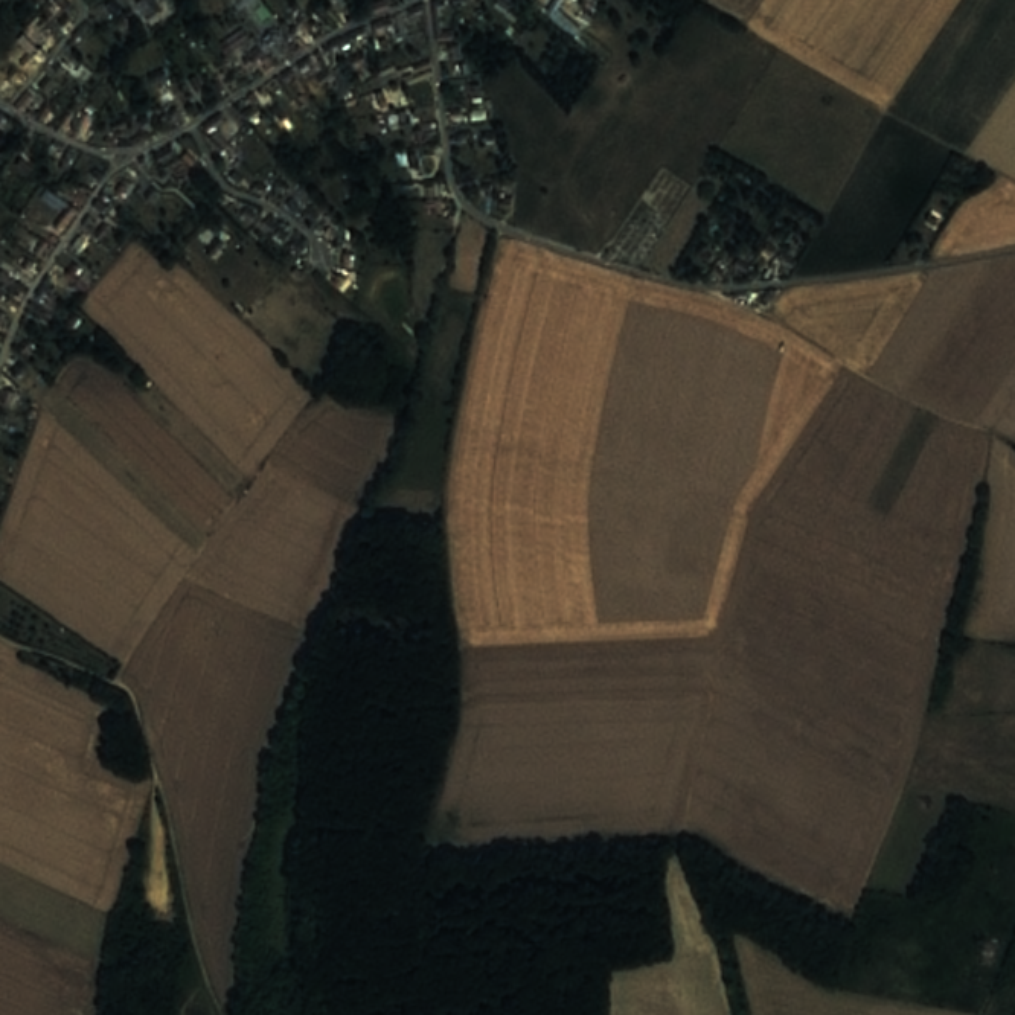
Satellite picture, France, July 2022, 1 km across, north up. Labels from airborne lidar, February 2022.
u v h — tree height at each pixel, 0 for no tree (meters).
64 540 0
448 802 0
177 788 0
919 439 0
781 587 0
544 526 0
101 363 6
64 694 0
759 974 0
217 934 0
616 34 0
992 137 0
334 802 21
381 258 0
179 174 0
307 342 0
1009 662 0
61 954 0
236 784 0
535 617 0
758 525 0
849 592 0
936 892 9
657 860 18
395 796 26
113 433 0
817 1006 0
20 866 0
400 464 11
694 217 0
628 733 0
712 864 17
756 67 0
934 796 0
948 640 14
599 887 14
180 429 0
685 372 0
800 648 0
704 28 0
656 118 0
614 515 0
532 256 0
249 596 0
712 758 0
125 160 0
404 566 25
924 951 0
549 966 23
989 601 0
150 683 0
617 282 0
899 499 0
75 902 0
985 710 0
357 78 10
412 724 25
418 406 10
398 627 25
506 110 0
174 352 0
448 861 22
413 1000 17
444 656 22
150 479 0
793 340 0
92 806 0
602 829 0
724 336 0
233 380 0
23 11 11
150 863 0
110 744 19
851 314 0
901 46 0
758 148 0
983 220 0
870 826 0
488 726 0
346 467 0
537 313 0
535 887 23
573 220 0
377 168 10
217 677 0
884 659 0
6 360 0
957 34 0
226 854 0
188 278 0
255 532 0
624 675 0
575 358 0
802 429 0
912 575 0
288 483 0
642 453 0
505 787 0
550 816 0
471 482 0
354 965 22
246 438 0
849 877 0
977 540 14
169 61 7
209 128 0
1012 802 0
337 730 22
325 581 0
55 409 0
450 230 6
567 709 0
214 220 15
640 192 0
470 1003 24
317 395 11
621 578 0
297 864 23
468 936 23
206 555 0
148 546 0
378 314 0
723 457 0
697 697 0
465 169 11
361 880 25
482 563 0
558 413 0
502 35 8
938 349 0
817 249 0
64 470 0
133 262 0
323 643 25
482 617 0
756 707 0
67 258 0
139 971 22
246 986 16
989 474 0
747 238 16
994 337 0
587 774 0
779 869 0
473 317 6
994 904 0
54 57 0
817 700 0
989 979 0
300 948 19
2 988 0
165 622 0
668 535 0
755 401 0
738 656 0
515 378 0
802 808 0
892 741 0
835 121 0
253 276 0
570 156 0
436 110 0
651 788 0
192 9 13
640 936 22
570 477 0
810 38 0
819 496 0
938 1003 0
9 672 0
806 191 0
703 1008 0
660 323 0
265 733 0
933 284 0
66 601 0
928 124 0
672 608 0
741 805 0
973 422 0
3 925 0
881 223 0
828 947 21
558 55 15
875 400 0
